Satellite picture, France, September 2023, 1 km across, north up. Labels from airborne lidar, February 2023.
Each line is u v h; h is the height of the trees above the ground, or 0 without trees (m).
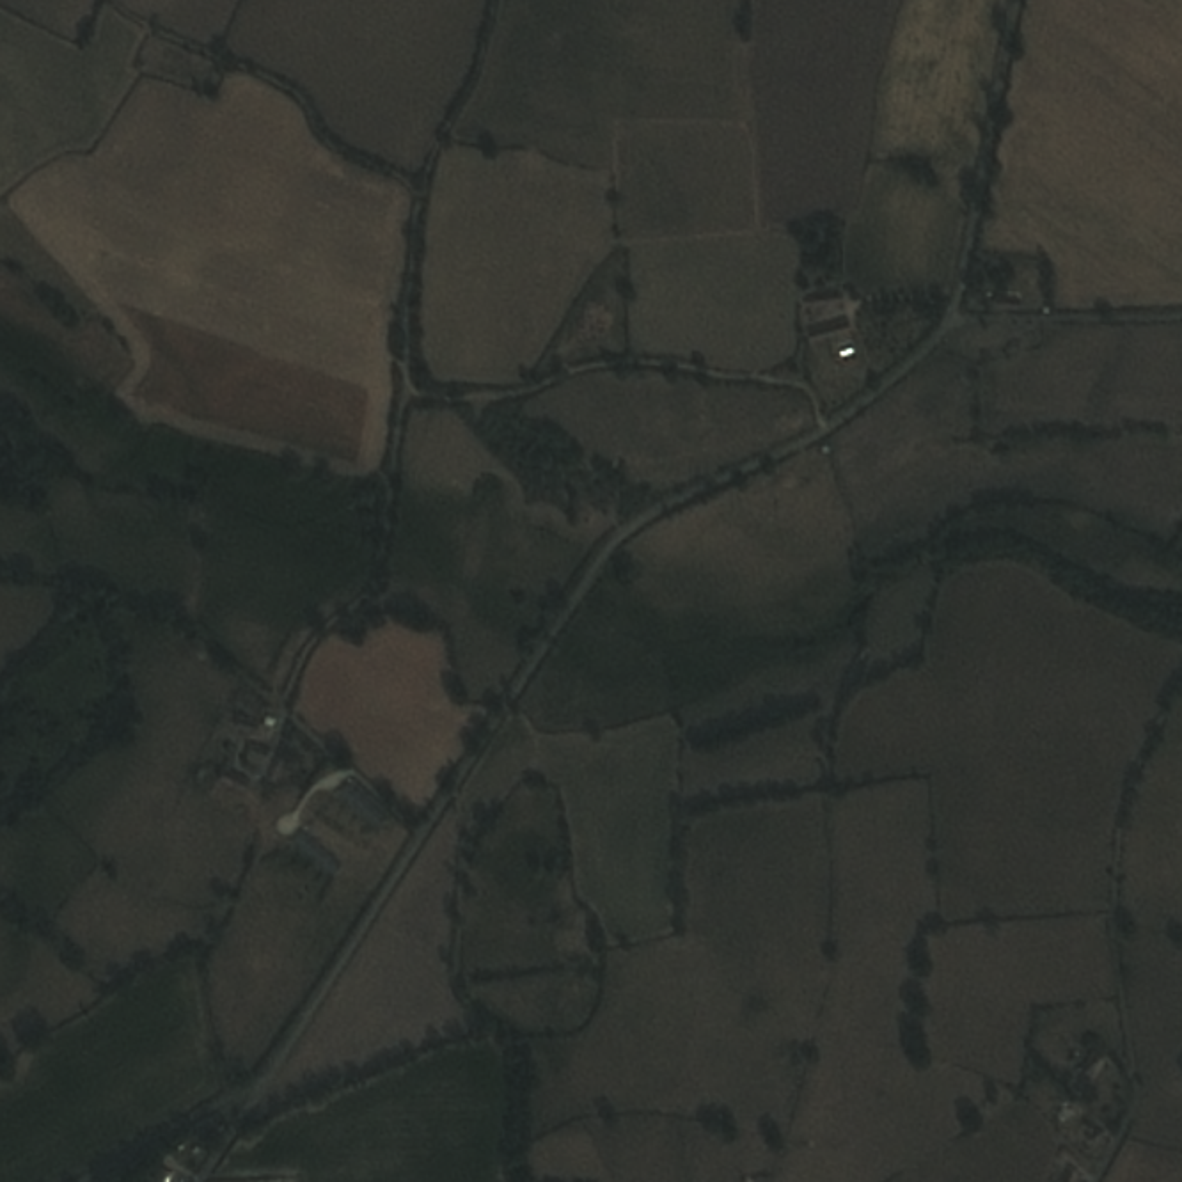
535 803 0
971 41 0
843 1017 0
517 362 0
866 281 0
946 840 0
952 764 0
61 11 0
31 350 0
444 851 0
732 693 0
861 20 0
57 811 0
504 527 0
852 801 0
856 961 0
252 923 0
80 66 0
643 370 11
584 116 0
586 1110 0
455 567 0
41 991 0
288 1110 17
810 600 0
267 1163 0
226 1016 0
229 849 0
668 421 0
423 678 0
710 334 0
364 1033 0
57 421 0
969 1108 12
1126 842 0
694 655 0
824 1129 0
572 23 0
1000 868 0
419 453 0
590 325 0
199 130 0
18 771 0
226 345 0
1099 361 0
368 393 0
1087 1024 0
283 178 0
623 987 0
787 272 0
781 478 0
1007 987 0
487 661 0
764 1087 0
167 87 0
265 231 0
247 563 0
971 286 14
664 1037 0
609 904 0
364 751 0
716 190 0
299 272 0
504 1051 17
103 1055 0
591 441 0
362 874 0
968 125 0
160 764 0
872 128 0
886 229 0
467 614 0
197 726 0
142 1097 0
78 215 0
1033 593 0
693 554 0
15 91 0
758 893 0
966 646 0
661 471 0
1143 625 6
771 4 0
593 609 0
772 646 0
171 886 0
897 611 0
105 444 0
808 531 0
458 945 0
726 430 0
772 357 0
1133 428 9
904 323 0
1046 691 0
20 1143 0
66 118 0
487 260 0
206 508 0
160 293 0
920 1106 0
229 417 0
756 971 0
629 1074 0
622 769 0
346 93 0
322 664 0
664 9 0
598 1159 0
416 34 0
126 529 0
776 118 0
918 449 0
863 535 0
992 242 0
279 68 0
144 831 0
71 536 0
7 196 0
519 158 0
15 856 0
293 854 0
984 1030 0
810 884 0
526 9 0
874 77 0
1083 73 0
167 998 0
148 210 0
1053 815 0
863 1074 0
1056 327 0
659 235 0
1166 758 0
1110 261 0
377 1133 0
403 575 0
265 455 0
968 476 0
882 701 0
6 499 16
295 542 0
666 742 0
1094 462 0
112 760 0
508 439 6
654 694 0
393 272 0
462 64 0
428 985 0
